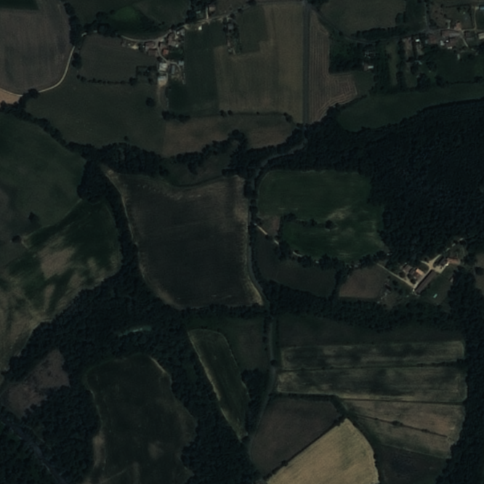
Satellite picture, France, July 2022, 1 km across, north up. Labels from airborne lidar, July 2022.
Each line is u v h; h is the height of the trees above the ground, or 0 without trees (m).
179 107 0
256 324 0
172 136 0
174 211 0
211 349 0
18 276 0
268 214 0
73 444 19
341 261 9
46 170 0
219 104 0
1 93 0
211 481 23
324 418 0
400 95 0
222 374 0
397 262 14
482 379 18
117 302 15
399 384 0
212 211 0
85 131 0
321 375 0
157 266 0
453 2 0
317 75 0
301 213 0
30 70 0
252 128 0
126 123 0
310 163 10
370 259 19
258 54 0
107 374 0
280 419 0
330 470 0
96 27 6
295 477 0
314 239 0
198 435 16
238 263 0
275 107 0
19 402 0
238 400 0
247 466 25
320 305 18
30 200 0
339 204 0
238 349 0
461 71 0
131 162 24
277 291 24
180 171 0
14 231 0
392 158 14
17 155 0
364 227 0
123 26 0
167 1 0
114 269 0
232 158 14
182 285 0
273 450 0
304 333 0
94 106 0
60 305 0
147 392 0
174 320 22
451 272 0
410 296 0
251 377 19
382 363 0
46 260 0
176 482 0
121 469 0
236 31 10
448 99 0
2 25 0
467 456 15
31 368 9
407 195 21
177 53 0
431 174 18
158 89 0
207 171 0
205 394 7
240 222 0
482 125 24
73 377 20
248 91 0
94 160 21
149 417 0
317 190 0
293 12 0
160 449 0
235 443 25
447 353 0
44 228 0
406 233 23
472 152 9
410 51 0
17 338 0
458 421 0
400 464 0
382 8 0
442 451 0
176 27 10
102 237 0
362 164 26
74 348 20
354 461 0
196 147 0
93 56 0
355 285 0
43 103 0
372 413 0
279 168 9
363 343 0
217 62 0
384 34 12
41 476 11
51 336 19
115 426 0
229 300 0
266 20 0
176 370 20
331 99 0
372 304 7
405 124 12
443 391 0
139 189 0
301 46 0
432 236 11
